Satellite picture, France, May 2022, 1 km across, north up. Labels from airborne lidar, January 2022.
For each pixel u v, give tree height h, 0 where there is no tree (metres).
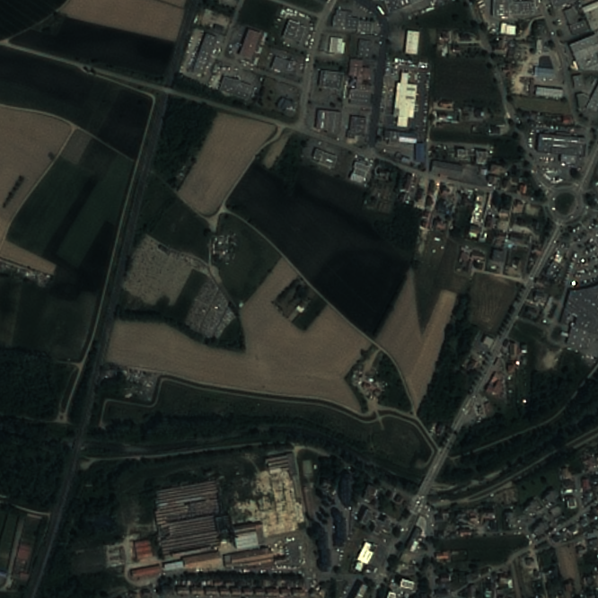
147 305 0
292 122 0
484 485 0
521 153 10
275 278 0
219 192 0
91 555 0
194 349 0
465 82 0
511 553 0
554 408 19
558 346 0
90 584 0
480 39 0
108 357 0
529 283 0
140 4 0
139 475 0
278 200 0
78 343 0
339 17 0
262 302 0
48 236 0
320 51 0
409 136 0
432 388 12
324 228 0
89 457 0
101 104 0
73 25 0
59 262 0
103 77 0
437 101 0
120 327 0
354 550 0
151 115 0
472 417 0
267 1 0
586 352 0
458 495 0
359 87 0
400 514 0
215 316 0
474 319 0
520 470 0
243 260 0
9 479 19
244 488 0
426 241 0
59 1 0
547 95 0
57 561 18
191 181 0
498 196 11
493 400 0
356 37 0
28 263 0
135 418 0
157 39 0
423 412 8
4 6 0
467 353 14
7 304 0
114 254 0
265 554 0
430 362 0
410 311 0
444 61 0
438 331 0
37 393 22
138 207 0
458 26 0
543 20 0
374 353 0
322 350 0
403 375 0
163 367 0
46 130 0
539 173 0
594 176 0
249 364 0
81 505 11
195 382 0
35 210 0
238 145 0
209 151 0
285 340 0
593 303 0
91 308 0
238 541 0
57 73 0
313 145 0
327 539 0
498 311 0
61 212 0
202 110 18
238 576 13
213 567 0
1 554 0
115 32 0
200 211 0
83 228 0
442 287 0
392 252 0
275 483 0
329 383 0
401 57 0
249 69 0
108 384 15
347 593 0
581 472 0
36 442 19
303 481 0
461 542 0
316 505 0
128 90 0
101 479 12
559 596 0
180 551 0
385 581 8
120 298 0
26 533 0
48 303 0
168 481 0
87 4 0
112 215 0
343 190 0
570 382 12
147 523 0
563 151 0
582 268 0
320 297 0
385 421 0
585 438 0
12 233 0
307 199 0
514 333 0
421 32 0
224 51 0
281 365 0
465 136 0
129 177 0
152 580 0
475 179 0
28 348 0
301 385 0
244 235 0
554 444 31
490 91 0
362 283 0
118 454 0
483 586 0
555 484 0
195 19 0
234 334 0
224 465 0
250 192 0
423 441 0
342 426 0
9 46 0
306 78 0
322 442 9
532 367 0
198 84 12
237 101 6
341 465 16
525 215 0
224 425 17
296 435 19
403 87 0
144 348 0
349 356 0
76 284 0
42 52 0
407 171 0
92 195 0
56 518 0
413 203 6
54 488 17
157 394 0
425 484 0
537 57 0
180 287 0
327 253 0
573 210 0
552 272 0
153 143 0
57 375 0
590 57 0
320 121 0
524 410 9
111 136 0
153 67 0
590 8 0
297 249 0
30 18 0
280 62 0
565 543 0
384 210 0
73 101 0
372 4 0
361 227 0
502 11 0
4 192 0
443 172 0
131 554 0
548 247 0
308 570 0
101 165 0
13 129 0
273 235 0
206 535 0
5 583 0
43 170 0
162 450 0
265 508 0
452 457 0
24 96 0
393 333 0
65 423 0
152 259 0
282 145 0
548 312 0
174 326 12
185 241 0
